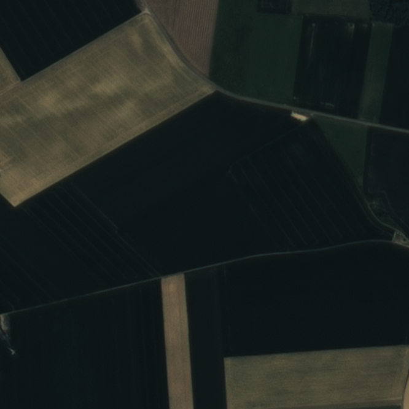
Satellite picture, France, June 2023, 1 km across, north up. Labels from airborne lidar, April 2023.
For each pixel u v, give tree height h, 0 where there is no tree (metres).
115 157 0
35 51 0
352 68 0
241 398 0
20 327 0
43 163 0
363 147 0
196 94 0
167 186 0
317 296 0
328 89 0
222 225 0
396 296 0
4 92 0
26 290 0
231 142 0
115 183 0
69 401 0
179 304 0
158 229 0
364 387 0
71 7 0
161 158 0
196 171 0
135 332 0
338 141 0
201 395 0
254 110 0
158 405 0
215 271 0
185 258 0
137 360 0
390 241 0
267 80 0
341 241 0
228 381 0
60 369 0
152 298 0
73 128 0
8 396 0
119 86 0
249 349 0
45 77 0
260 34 0
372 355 0
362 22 0
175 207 0
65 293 0
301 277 0
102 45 0
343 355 0
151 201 0
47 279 0
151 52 0
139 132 0
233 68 0
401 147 0
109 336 0
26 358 0
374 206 0
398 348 0
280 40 0
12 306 0
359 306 0
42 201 0
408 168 0
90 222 0
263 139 0
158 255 0
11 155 0
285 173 0
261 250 0
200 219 0
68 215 0
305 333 0
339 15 0
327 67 0
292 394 0
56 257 0
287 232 0
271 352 0
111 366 0
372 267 0
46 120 0
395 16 22
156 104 0
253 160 0
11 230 0
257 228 0
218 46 0
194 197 0
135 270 0
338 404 0
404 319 0
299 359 0
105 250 0
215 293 0
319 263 0
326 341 0
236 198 0
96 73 0
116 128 0
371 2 11
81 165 0
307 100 0
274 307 0
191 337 0
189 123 0
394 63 0
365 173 0
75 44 0
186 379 0
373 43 0
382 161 0
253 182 0
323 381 0
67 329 0
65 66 0
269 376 0
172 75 0
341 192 0
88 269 0
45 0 0
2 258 0
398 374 0
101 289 0
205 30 0
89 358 0
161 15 0
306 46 0
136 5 0
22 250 0
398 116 0
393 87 0
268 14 0
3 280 0
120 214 0
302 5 0
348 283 0
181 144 0
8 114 0
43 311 0
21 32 0
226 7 0
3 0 0
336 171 0
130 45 0
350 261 0
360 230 0
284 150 0
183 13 0
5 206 0
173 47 0
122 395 0
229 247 0
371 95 0
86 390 0
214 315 0
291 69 0
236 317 0
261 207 0
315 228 0
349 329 0
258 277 0
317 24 0
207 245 0
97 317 0
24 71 0
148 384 0
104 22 0
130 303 0
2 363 0
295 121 0
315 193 0
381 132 0
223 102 0
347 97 0
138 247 0
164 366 0
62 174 0
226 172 0
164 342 0
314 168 0
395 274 0
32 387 0
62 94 0
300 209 0
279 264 0
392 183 0
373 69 0
